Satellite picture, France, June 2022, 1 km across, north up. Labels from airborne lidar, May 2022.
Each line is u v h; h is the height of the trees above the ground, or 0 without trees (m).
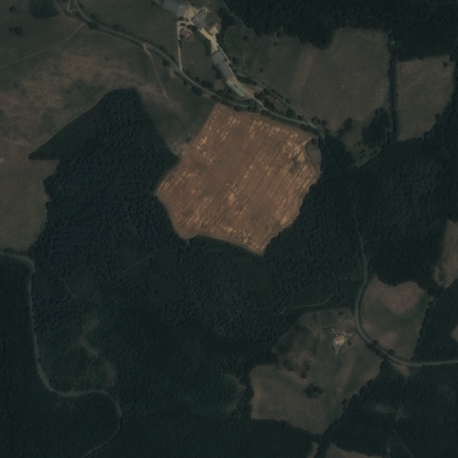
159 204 11
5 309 19
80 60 0
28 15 0
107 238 11
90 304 8
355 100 0
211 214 0
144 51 0
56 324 17
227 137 0
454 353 14
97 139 13
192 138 0
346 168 20
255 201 0
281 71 0
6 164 0
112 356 12
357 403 16
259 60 0
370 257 16
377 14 24
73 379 7
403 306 0
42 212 0
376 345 11
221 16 7
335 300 10
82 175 20
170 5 0
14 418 22
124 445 16
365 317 0
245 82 12
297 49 0
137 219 17
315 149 0
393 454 11
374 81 0
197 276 14
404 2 23
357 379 0
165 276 10
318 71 0
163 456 17
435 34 24
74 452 12
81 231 21
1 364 7
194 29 9
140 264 0
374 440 10
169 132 0
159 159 18
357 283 9
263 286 0
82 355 7
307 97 0
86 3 0
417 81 0
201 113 0
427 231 13
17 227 0
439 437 8
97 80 0
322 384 0
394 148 16
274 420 12
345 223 22
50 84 0
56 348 10
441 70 0
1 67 0
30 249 18
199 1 0
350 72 0
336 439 16
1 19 0
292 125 0
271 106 10
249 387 8
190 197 0
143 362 13
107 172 14
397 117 20
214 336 12
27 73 0
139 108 15
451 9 18
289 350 0
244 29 0
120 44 0
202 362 8
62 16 0
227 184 0
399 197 21
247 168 0
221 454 12
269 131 0
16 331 17
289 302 15
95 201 15
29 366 15
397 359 0
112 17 0
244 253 6
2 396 11
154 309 9
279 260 13
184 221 0
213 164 0
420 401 8
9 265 9
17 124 0
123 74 0
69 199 13
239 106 9
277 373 0
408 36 19
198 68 0
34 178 0
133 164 14
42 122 0
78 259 20
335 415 0
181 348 8
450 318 11
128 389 19
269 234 0
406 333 0
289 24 9
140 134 9
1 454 18
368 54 0
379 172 14
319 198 18
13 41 0
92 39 0
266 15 11
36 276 17
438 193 21
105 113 14
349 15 12
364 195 23
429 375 7
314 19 22
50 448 21
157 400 14
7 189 0
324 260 24
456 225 0
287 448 14
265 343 20
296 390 0
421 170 23
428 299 0
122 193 16
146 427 14
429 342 10
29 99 0
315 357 0
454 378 6
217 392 12
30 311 15
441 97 0
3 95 0
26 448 24
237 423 8
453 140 19
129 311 15
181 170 0
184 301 15
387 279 18
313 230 9
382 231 16
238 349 12
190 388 12
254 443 14
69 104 0
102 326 6
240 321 14
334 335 0
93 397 13
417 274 22
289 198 0
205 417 8
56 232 26
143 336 9
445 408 7
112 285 12
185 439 8
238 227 0
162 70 0
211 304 8
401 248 15
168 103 0
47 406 12
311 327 0
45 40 0
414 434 11
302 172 0
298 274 17
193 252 18
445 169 23
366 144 8
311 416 0
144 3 0
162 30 0
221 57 0
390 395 11
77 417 12
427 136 23
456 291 6
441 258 0
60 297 12
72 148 11
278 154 0
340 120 0
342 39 0
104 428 15
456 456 9
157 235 11
